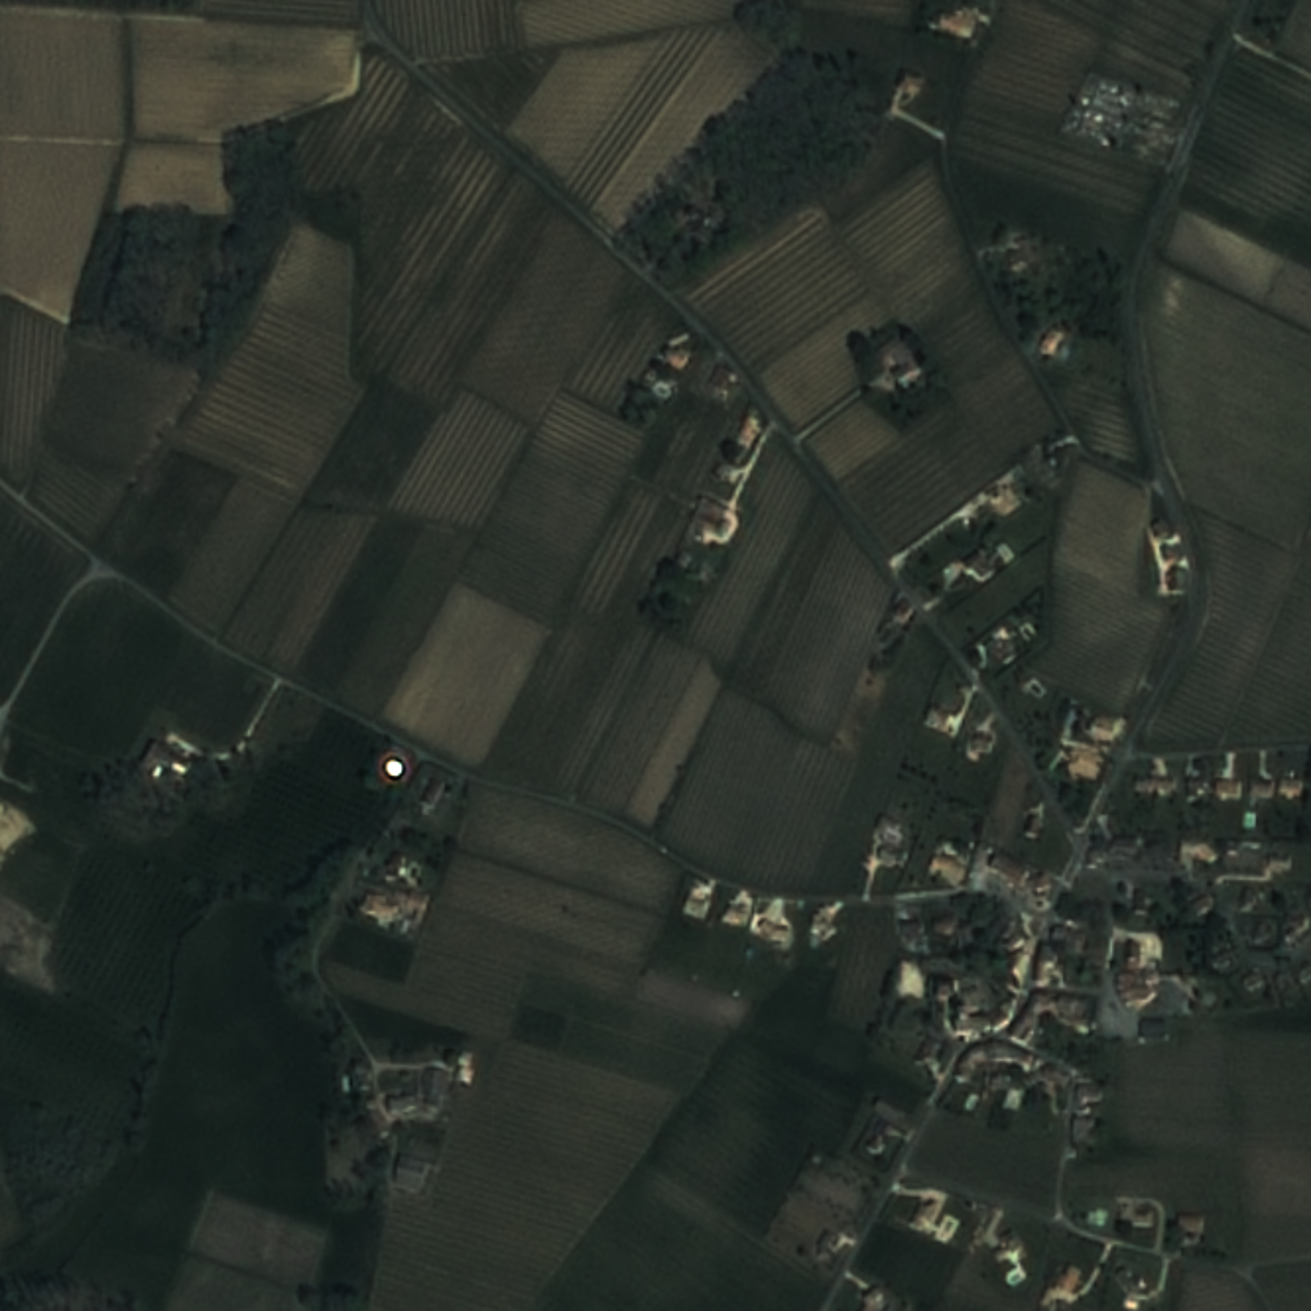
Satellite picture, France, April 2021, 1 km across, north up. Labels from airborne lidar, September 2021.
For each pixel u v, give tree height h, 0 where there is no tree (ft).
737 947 0
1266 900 0
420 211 0
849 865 0
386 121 0
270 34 0
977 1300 0
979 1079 18
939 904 0
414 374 0
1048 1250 0
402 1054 31
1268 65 0
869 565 0
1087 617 0
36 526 0
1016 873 0
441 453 0
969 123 0
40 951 0
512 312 0
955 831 0
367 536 0
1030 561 0
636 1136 0
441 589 0
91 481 0
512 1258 0
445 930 0
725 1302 0
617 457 0
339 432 0
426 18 0
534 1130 0
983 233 0
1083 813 32
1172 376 0
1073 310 25
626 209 0
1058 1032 28
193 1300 0
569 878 0
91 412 0
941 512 0
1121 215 0
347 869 45
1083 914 43
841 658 0
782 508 0
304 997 62
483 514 0
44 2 54
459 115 0
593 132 0
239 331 42
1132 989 0
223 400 0
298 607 0
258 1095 0
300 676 0
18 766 0
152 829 58
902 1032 44
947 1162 0
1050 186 0
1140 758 0
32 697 0
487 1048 0
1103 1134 29
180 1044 0
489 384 0
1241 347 0
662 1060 0
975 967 41
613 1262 0
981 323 0
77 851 0
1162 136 0
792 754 0
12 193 0
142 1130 53
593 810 0
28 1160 28
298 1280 0
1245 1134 0
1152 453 0
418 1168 0
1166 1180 0
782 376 0
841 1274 0
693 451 0
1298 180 0
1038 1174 0
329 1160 0
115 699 0
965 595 0
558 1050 0
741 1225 0
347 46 0
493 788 0
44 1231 18
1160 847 40
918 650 0
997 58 0
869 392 31
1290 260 0
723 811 0
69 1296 61
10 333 0
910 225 0
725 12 0
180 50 0
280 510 0
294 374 0
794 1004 0
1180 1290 0
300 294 0
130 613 0
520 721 0
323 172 0
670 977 0
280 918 0
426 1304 0
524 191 0
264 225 50
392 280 0
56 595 0
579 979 0
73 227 0
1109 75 0
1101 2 0
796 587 0
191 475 0
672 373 31
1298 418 0
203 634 0
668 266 47
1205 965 23
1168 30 0
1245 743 0
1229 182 0
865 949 0
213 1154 0
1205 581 0
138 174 0
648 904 0
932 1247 0
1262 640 0
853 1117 0
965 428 0
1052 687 0
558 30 0
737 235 60
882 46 0
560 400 0
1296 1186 0
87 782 25
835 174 59
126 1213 0
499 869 0
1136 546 0
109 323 45
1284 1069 0
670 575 46
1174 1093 0
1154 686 0
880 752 0
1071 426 0
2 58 0
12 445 0
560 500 0
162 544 0
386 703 0
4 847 0
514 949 0
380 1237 0
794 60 51
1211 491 0
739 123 58
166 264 63
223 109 0
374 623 0
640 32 0
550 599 0
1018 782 0
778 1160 0
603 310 0
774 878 0
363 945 0
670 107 0
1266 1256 0
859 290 0
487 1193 0
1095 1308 0
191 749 0
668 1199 0
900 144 0
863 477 0
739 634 0
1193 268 0
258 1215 0
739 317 0
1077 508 0
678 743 0
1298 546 0
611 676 0
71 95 0
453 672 0
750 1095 0
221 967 0
